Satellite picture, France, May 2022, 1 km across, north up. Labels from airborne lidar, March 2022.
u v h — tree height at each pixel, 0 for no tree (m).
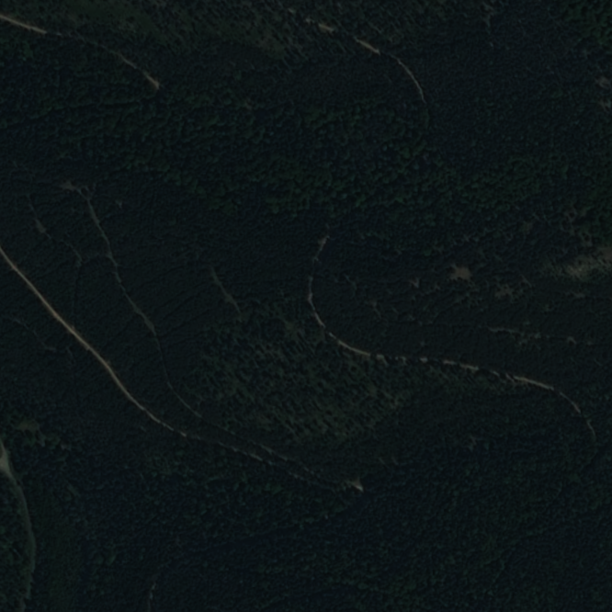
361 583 24
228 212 29
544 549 23
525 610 21
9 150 20
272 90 23
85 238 14
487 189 25
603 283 10
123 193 20
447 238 22
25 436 18
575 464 28
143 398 18
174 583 18
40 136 22
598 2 22
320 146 15
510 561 22
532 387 13
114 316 17
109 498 27
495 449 27
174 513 30
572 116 27
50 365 20
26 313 21
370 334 8
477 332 10
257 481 31
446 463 25
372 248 22
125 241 17
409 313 9
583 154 24
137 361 13
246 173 28
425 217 22
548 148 23
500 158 23
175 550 27
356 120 28
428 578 23
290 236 27
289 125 31
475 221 27
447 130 19
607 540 23
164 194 24
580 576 25
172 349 15
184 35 28
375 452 22
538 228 11
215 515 26
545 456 25
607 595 22
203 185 27
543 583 25
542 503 24
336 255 20
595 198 21
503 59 24
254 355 31
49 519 8
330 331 12
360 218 25
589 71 20
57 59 29
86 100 21
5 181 15
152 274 16
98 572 24
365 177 28
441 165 30
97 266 14
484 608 22
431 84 22
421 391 10
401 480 19
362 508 25
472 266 14
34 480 15
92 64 27
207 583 18
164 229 22
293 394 30
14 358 19
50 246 13
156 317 15
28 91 30
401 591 23
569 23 25
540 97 23
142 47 25
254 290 16
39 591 14
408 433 23
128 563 25
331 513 25
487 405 22
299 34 32
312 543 32
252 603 21
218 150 33
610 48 26
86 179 19
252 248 23
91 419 23
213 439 15
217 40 8
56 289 17
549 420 20
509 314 11
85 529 27
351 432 25
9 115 28
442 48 20
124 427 20
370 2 29
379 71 24
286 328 29
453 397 8
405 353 14
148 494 26
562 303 10
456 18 9
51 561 13
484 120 22
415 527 24
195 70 21
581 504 26
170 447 26
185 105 27
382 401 29
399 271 15
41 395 24
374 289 13
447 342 12
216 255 18
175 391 15
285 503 23
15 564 6
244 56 11
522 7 19
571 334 9
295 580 26
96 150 23
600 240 15
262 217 29
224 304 13
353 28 23
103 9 0
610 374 20
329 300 12
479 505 26
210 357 31
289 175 22
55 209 16
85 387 18
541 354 11
